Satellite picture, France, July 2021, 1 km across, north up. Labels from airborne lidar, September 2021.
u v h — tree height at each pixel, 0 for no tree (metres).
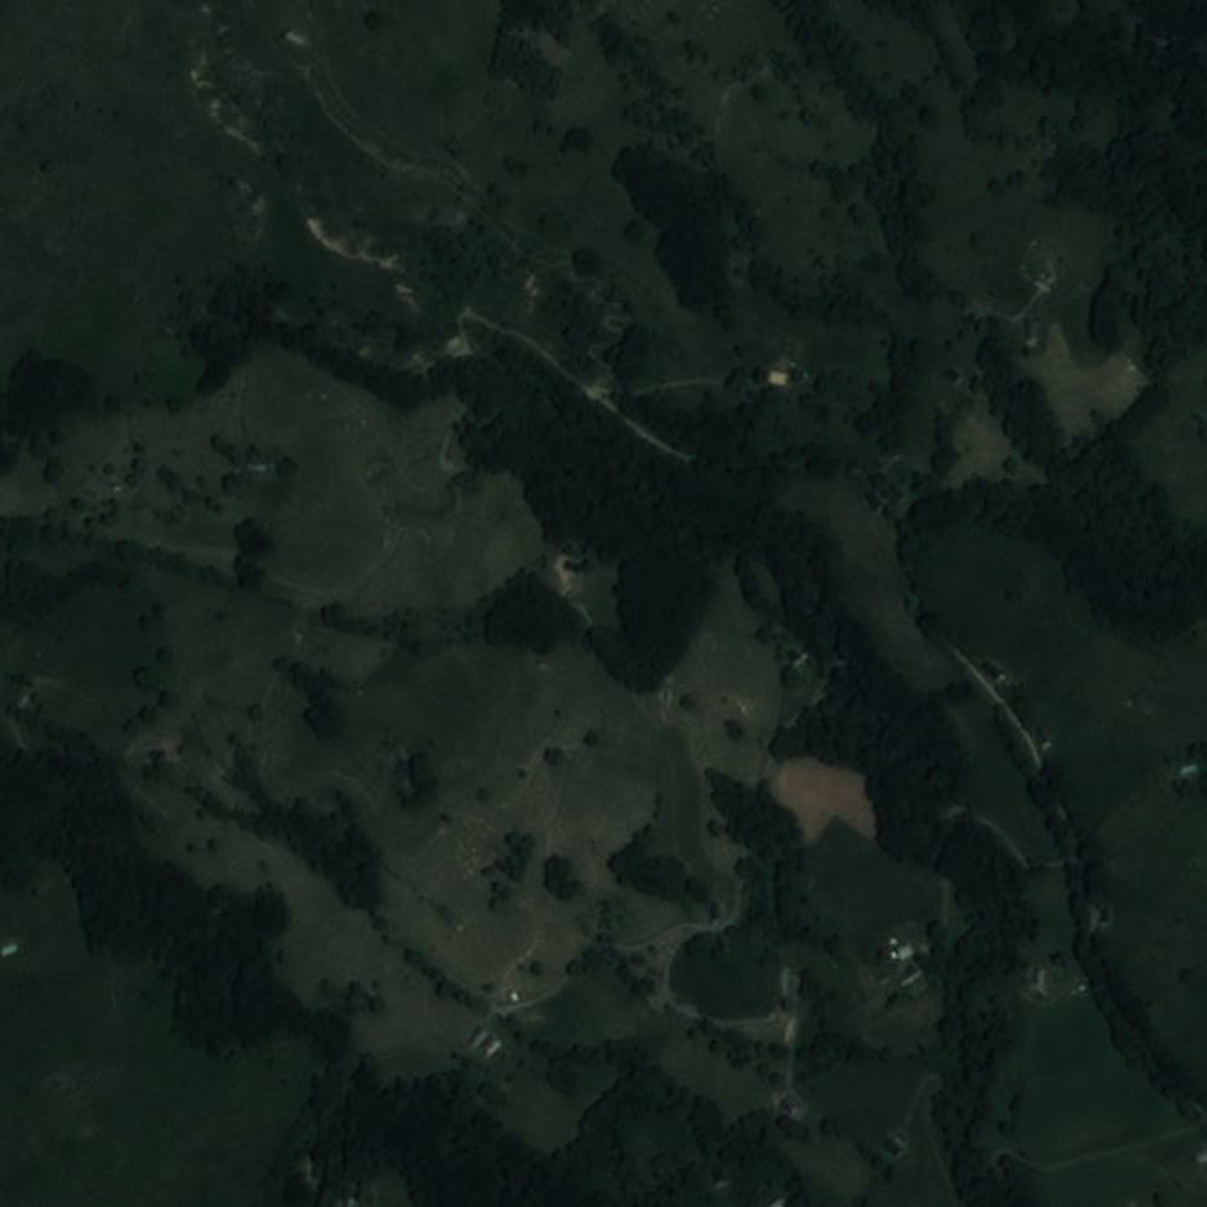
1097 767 0
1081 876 17
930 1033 0
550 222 11
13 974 0
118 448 0
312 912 0
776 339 0
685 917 0
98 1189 0
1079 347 0
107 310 0
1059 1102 0
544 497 23
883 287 0
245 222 0
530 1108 0
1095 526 20
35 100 0
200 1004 25
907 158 21
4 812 23
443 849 0
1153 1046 18
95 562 7
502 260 6
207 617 0
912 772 31
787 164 0
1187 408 0
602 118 0
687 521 20
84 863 29
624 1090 17
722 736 0
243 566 15
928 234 22
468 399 14
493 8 0
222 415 0
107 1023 0
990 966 18
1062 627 0
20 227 0
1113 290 20
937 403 0
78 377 21
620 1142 14
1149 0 28
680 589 32
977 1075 19
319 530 0
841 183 16
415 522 0
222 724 0
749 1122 16
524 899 0
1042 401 18
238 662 0
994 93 21
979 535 0
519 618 27
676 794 0
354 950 0
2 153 0
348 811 12
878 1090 0
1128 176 19
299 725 0
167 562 22
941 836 23
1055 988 0
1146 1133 0
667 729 0
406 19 0
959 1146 16
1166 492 19
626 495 29
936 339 0
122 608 0
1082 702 0
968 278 0
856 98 13
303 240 0
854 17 0
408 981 5
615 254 0
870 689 22
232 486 19
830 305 8
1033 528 22
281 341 13
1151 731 0
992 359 16
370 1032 0
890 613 0
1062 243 0
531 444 28
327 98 0
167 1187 0
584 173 0
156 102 0
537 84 13
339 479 0
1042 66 29
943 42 8
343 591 0
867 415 8
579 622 12
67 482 0
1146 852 0
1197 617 20
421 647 10
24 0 0
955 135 0
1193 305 24
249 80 0
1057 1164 0
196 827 0
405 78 0
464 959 0
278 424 0
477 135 0
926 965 18
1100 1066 0
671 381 0
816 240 0
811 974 14
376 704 0
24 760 21
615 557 28
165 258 0
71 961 0
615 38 15
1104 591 22
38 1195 0
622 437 11
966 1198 18
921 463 0
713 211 11
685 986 0
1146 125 16
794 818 16
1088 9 15
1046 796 23
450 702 0
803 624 22
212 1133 0
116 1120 0
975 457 0
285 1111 0
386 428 0
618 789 0
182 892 24
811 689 0
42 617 7
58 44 0
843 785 0
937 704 19
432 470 0
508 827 0
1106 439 7
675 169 14
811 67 12
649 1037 0
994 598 0
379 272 0
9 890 7
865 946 0
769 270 7
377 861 7
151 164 0
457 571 0
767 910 9
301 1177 13
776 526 25
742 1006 0
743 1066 8
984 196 0
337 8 0
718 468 18
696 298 24
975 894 25
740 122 0
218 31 0
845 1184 0
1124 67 21
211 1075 0
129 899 21
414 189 10
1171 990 0
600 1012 0
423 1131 32
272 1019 26
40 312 0
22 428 15
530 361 10
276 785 0
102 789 27
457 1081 13
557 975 0
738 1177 0
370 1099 24
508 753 0
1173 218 14
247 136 0
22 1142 0
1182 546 17
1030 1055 0
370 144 0
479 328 6
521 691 0
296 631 0
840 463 17
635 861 13
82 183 0
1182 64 18
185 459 0
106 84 0
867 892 0
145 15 0
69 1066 0
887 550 0
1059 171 14
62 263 0
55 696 0
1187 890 0
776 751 13
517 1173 26
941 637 19
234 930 32
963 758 24
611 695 0
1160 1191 0
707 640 0
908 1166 0
